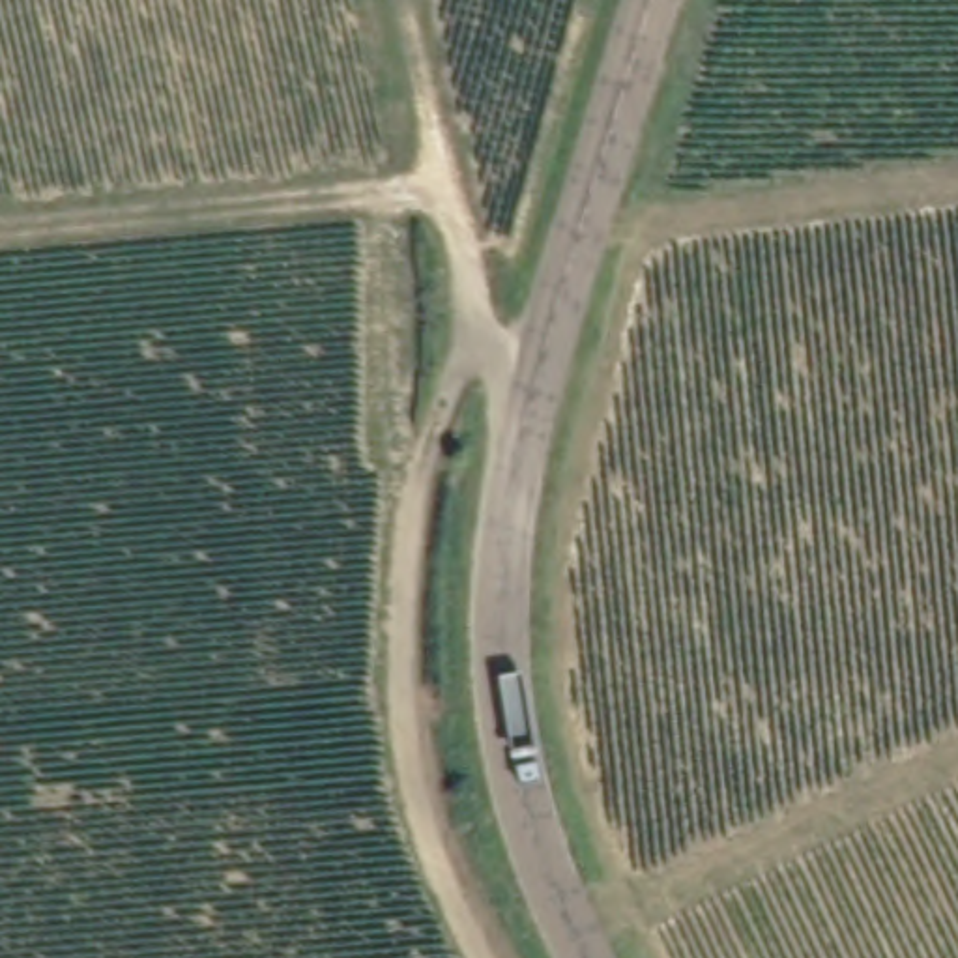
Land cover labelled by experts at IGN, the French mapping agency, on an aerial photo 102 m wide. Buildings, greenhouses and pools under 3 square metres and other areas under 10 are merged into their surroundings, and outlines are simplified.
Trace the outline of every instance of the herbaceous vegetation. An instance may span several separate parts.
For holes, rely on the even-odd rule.
[[[445,820],[442,842],[468,902],[490,906],[494,924],[509,939],[516,958],[550,958],[528,917],[490,801],[464,823]]]
[[[704,79],[704,49],[715,37],[719,19],[726,19],[726,7],[719,0],[685,0],[666,45],[666,67],[651,112],[644,120],[629,165],[625,202],[610,221],[610,240],[588,296],[588,314],[558,404],[531,546],[535,722],[550,793],[576,872],[614,947],[614,958],[670,958],[666,936],[677,928],[677,909],[711,894],[711,879],[704,872],[722,864],[730,876],[756,872],[763,883],[775,883],[786,868],[805,868],[805,849],[820,846],[835,831],[846,831],[849,823],[872,827],[879,816],[891,816],[906,801],[921,805],[917,793],[928,786],[951,782],[958,790],[958,730],[939,726],[924,741],[861,756],[853,771],[820,786],[801,786],[797,797],[778,801],[763,816],[733,823],[722,835],[692,838],[681,853],[666,861],[632,864],[629,835],[606,816],[599,763],[591,763],[588,756],[588,748],[595,745],[595,730],[588,730],[584,707],[576,707],[569,696],[573,670],[580,666],[580,599],[569,591],[569,573],[580,565],[576,546],[584,539],[584,505],[591,505],[591,483],[599,475],[599,449],[606,445],[606,430],[617,423],[614,404],[625,393],[636,307],[647,299],[644,281],[655,262],[700,240],[808,232],[842,221],[898,221],[958,210],[958,150],[936,150],[928,161],[868,161],[864,168],[782,168],[763,180],[715,180],[704,191],[670,191],[666,176],[677,172],[677,138],[689,131],[685,105],[692,86]]]
[[[404,464],[389,460],[389,449],[400,449],[393,419],[400,408],[408,408],[408,213],[348,210],[356,225],[356,449],[363,472],[374,475],[363,700],[382,737],[378,782],[393,816],[393,831],[415,857],[397,786],[397,763],[389,748],[385,636],[397,494],[404,483]]]
[[[442,516],[442,494],[449,490],[445,468],[460,453],[460,434],[449,430],[442,434],[423,546],[434,550],[438,543],[434,516]]]
[[[479,161],[472,153],[472,116],[457,109],[453,67],[445,64],[445,15],[438,0],[412,0],[412,4],[419,11],[419,30],[430,52],[442,131],[457,161],[460,195],[479,225],[483,187]]]

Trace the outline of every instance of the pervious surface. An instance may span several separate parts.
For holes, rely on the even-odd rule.
[[[558,52],[554,86],[539,123],[524,195],[513,213],[513,228],[483,232],[479,225],[460,195],[457,161],[442,131],[430,52],[419,30],[419,11],[412,4],[400,11],[400,30],[419,116],[419,161],[404,176],[337,183],[341,206],[348,210],[408,213],[423,213],[438,225],[453,269],[453,344],[445,363],[438,367],[423,419],[408,423],[408,408],[400,408],[393,419],[400,449],[389,449],[389,460],[404,464],[404,483],[397,494],[385,636],[389,748],[397,763],[397,786],[415,857],[427,887],[438,898],[445,936],[453,939],[460,958],[516,958],[509,939],[494,924],[490,906],[468,902],[442,842],[445,820],[442,771],[430,741],[438,704],[430,689],[419,681],[423,546],[442,434],[449,430],[457,415],[457,397],[472,378],[483,382],[486,412],[513,385],[520,318],[528,311],[535,273],[546,254],[546,240],[561,206],[580,131],[588,123],[606,41],[614,30],[614,11],[621,0],[576,0],[565,45]]]

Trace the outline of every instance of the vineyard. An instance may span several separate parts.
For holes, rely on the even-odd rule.
[[[689,131],[677,138],[677,172],[666,176],[670,191],[704,191],[715,180],[763,180],[782,168],[864,168],[868,161],[928,161],[936,150],[958,150],[958,0],[719,0],[726,7],[726,19],[719,19],[715,37],[704,49],[704,79],[692,86],[685,105]]]
[[[472,153],[479,161],[483,187],[479,225],[483,232],[513,228],[513,213],[524,195],[539,123],[554,86],[558,52],[565,45],[576,0],[438,0],[445,15],[445,64],[453,67],[457,109],[472,116]]]
[[[591,483],[591,505],[584,505],[584,539],[576,546],[580,565],[569,573],[569,591],[580,599],[580,666],[573,670],[569,696],[576,707],[584,707],[588,730],[595,730],[595,745],[588,748],[588,756],[591,763],[599,763],[606,816],[629,835],[632,864],[666,861],[681,853],[692,838],[722,835],[733,823],[763,816],[778,801],[797,797],[801,786],[820,786],[853,771],[861,756],[924,741],[939,726],[958,730],[958,210],[898,221],[842,221],[808,232],[700,240],[655,262],[644,281],[647,299],[636,307],[625,393],[614,404],[617,423],[606,430],[606,445],[599,449],[599,475]]]
[[[427,887],[415,857],[393,831],[393,816],[378,782],[382,737],[363,700],[374,475],[363,472],[356,449],[356,225],[348,210],[341,206],[337,183],[404,176],[419,161],[419,116],[400,30],[400,11],[412,4],[412,0],[0,0],[0,958],[460,958],[453,939],[445,936],[438,898]]]
[[[928,786],[917,793],[921,805],[906,801],[891,816],[879,816],[872,827],[849,823],[846,831],[835,831],[820,846],[805,849],[805,868],[786,868],[775,883],[763,883],[756,872],[730,876],[722,864],[704,872],[711,879],[711,894],[677,909],[677,928],[666,936],[670,958],[958,958],[958,790],[951,782]]]

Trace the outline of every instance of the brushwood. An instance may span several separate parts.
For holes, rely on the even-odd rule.
[[[486,412],[483,382],[472,378],[457,397],[457,415],[449,430],[460,434],[460,453],[445,468],[449,490],[442,494],[442,516],[434,516],[438,543],[434,550],[423,546],[419,681],[430,689],[438,704],[430,741],[442,771],[445,820],[464,823],[490,801],[468,692],[468,565],[486,460]]]
[[[423,419],[438,367],[445,363],[453,344],[453,269],[438,225],[423,213],[408,213],[408,408],[408,423]]]

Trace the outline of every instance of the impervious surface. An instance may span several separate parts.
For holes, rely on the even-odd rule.
[[[468,692],[490,801],[528,917],[550,958],[614,958],[614,947],[576,872],[550,793],[535,722],[531,546],[558,404],[588,314],[588,296],[610,240],[610,221],[625,202],[629,165],[644,120],[651,112],[666,67],[666,45],[685,0],[621,0],[614,11],[614,30],[606,41],[588,123],[580,131],[561,206],[546,240],[546,254],[535,273],[528,311],[520,318],[513,385],[486,412],[486,460],[468,565]]]

